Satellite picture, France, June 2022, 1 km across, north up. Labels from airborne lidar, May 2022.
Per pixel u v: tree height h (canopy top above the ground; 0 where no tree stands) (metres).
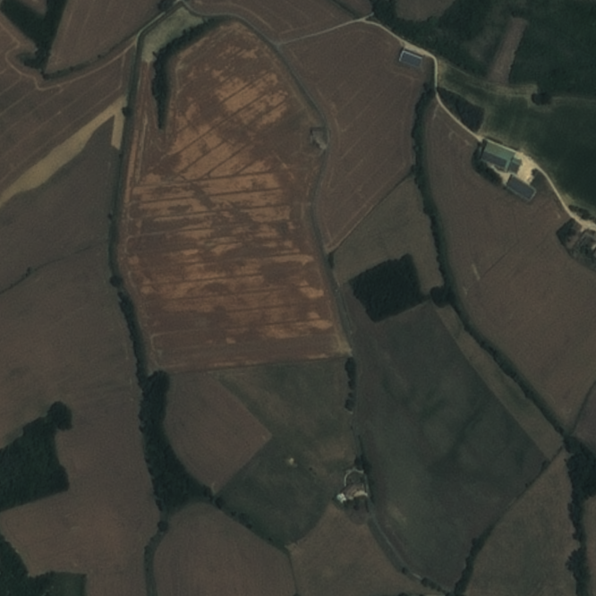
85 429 0
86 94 0
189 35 17
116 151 0
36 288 0
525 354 0
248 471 0
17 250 0
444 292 18
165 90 13
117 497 0
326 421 0
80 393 0
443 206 0
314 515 0
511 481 0
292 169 0
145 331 0
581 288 0
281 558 0
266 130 0
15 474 10
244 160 0
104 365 0
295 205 0
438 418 0
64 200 0
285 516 0
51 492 9
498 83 0
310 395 0
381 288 14
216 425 0
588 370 0
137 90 0
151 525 0
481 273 0
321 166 0
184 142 0
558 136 0
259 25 0
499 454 0
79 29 0
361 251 0
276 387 0
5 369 0
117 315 0
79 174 0
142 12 0
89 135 0
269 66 0
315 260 0
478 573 0
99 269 0
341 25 0
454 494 0
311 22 0
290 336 0
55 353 0
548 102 17
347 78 0
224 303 0
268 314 0
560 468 0
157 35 0
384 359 0
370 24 0
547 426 0
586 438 0
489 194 0
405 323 0
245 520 19
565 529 0
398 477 0
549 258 0
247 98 0
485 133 0
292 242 0
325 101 0
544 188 0
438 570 0
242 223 0
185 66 0
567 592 0
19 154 0
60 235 0
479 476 0
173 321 0
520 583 0
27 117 0
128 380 0
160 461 7
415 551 0
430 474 0
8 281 0
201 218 0
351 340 0
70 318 0
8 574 10
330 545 0
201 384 0
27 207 0
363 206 0
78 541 0
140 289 0
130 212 0
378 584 0
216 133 0
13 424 0
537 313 0
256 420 0
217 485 0
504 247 0
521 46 6
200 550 0
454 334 0
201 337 0
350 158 0
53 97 0
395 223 0
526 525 0
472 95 0
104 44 0
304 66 0
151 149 0
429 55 0
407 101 0
